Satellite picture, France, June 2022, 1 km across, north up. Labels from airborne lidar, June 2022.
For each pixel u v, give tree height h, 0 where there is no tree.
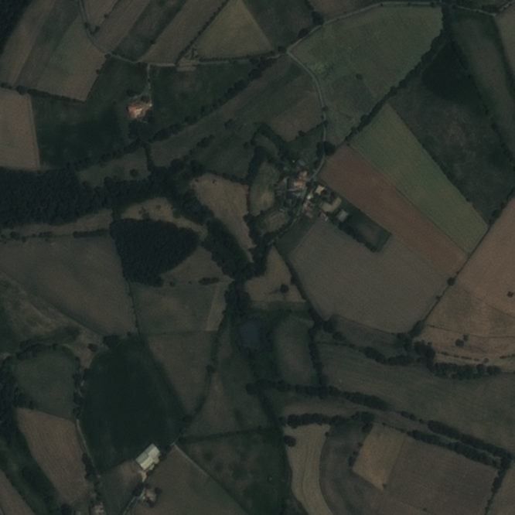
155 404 0
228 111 0
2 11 19
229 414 0
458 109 0
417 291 0
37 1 0
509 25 0
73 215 22
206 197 0
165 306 0
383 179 0
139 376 0
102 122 0
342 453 0
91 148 0
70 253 0
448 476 0
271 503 0
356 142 0
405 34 0
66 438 0
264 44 0
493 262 0
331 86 0
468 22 0
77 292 0
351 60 0
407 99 0
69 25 0
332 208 0
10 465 0
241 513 0
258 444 0
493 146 0
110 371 0
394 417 0
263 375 0
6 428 19
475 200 0
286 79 0
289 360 0
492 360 0
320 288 0
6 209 15
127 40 0
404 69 0
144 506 0
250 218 15
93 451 0
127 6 0
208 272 0
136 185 25
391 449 0
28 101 0
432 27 0
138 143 12
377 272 0
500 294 0
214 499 0
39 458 0
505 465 18
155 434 0
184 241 16
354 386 0
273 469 0
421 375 0
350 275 0
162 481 0
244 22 0
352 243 0
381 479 0
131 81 0
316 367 13
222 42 0
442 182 0
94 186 0
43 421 0
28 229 0
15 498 0
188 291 0
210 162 0
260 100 0
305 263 0
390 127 0
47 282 0
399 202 0
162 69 0
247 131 0
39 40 0
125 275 12
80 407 7
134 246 20
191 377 0
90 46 0
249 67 0
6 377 17
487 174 0
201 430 0
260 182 0
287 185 0
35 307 0
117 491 0
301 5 0
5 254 0
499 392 0
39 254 0
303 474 0
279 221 0
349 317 0
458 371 18
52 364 0
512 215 0
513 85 9
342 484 0
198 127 0
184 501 0
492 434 0
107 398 0
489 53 0
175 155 0
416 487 0
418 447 0
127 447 0
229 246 14
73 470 0
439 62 5
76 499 0
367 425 13
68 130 0
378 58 0
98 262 0
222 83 0
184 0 0
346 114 0
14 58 0
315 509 0
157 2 0
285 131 0
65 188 12
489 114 12
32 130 0
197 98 0
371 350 19
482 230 0
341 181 0
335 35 0
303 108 0
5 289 0
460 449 25
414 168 0
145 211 0
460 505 0
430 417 0
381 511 0
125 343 0
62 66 0
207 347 0
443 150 0
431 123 0
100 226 0
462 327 0
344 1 0
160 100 0
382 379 0
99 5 0
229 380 0
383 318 0
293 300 0
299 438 0
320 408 0
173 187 15
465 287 0
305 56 0
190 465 0
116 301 0
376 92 0
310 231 0
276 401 0
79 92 0
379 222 0
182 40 0
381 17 0
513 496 0
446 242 0
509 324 0
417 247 0
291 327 0
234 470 0
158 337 0
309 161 0
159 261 16
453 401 0
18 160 0
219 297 0
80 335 0
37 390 0
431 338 0
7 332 0
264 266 16
